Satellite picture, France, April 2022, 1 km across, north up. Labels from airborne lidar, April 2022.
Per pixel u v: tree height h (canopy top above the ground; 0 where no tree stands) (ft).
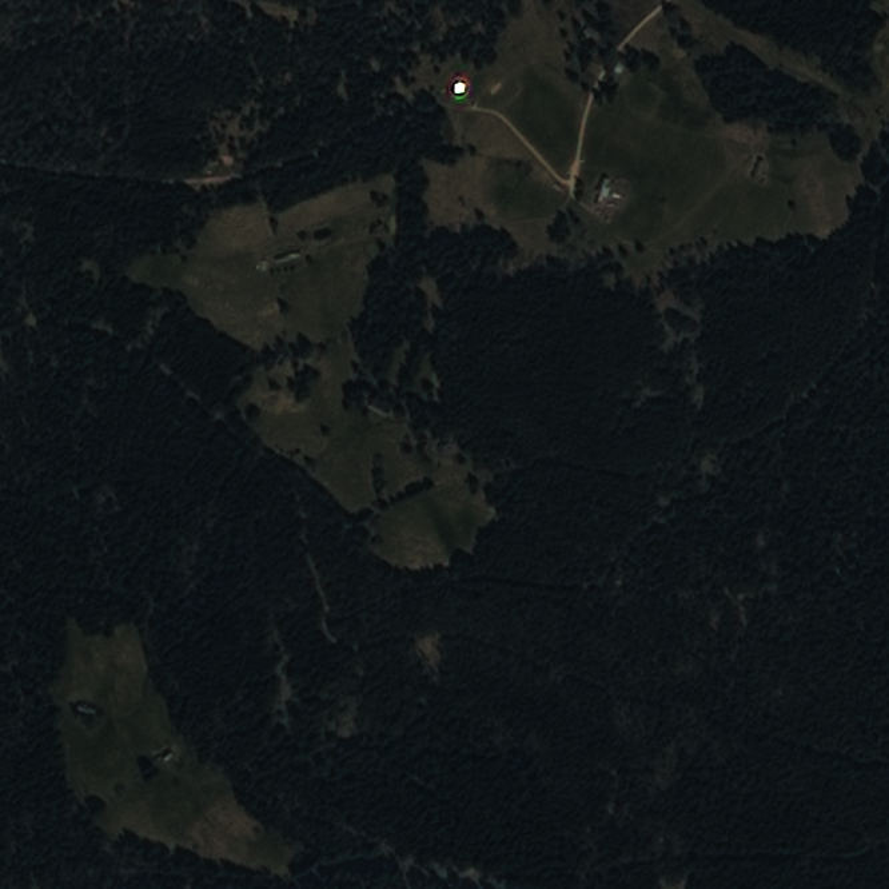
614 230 0
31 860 76
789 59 0
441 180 0
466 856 72
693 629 69
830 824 75
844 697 77
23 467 61
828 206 0
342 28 45
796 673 74
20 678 84
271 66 50
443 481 0
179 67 68
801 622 61
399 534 0
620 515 69
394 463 0
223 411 48
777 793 79
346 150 64
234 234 0
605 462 55
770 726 76
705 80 29
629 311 56
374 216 0
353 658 72
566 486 65
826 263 72
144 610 54
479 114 0
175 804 0
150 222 48
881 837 75
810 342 62
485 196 0
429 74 0
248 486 66
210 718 83
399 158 73
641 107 0
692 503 57
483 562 62
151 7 51
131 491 88
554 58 0
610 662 71
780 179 0
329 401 0
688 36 33
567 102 0
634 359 55
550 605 88
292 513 83
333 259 0
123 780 0
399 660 92
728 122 40
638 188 0
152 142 56
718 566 61
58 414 68
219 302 0
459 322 60
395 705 93
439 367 66
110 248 34
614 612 63
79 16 36
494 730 94
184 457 77
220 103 43
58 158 71
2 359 61
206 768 44
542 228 0
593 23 58
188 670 81
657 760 87
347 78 25
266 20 66
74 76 95
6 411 68
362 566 74
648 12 0
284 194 61
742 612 57
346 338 26
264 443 22
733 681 67
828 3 67
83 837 84
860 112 41
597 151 0
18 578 75
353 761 74
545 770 49
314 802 89
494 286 61
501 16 65
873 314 23
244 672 81
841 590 80
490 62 48
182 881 61
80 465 84
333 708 47
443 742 91
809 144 0
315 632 69
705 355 42
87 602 61
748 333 66
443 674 81
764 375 60
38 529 86
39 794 49
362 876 90
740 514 78
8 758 69
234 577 76
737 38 0
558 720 74
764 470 71
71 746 0
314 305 0
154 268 0
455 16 54
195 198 41
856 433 57
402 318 67
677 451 50
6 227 44
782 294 60
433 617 74
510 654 80
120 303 47
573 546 52
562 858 85
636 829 99
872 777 82
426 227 49
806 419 87
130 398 63
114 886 85
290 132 68
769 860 88
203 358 44
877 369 100
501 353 51
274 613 73
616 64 33
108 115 58
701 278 43
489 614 76
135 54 61
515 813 87
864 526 79
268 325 0
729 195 0
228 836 0
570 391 67
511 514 45
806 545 74
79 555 90
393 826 88
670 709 89
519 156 0
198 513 71
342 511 56
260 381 0
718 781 67
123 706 0
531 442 56
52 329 73
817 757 84
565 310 70
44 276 48
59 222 42
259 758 70
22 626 96
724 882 87
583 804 72
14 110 32
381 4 40
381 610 78
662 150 0
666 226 0
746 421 65
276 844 0
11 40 67
